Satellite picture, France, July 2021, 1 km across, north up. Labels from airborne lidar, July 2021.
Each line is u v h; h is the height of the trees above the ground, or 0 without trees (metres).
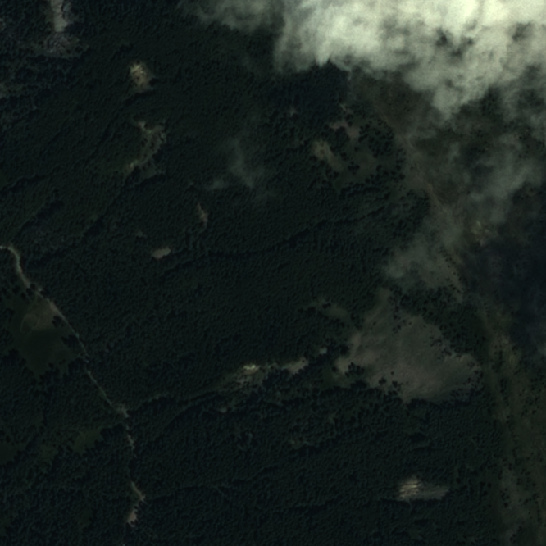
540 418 0
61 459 27
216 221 19
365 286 16
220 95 13
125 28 22
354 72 0
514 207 0
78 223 27
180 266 20
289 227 19
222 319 21
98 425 10
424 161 0
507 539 0
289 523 30
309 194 18
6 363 30
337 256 22
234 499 24
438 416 15
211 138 21
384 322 0
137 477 25
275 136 21
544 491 0
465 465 12
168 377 28
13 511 23
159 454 26
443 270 0
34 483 12
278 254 23
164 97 19
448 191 0
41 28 9
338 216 17
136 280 26
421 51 0
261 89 17
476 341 13
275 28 8
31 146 23
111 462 26
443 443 14
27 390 28
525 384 0
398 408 20
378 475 20
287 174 19
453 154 0
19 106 18
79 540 24
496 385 0
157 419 26
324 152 0
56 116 23
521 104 8
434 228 7
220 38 19
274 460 18
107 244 26
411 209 8
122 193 25
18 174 29
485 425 11
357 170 8
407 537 17
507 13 15
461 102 0
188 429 20
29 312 0
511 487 0
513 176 6
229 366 17
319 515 23
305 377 14
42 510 25
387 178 15
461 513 14
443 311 14
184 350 23
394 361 0
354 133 0
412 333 0
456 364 0
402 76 0
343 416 16
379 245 16
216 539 24
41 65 12
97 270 29
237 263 24
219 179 21
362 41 7
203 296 22
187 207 20
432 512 17
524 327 0
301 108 18
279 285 23
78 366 27
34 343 0
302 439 23
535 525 0
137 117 11
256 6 12
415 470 18
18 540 28
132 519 0
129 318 26
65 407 30
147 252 22
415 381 0
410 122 0
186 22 14
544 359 9
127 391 28
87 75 25
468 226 0
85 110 18
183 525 28
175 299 26
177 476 30
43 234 15
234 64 17
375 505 21
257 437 24
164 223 22
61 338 0
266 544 23
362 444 22
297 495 24
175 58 19
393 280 16
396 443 21
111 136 21
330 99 5
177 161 22
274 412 23
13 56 14
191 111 18
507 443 0
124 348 24
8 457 0
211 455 23
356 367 14
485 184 0
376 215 18
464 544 13
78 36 8
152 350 28
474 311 8
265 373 8
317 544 29
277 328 22
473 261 0
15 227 19
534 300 8
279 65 15
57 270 31
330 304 7
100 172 20
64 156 27
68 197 27
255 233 21
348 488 20
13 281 21
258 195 20
